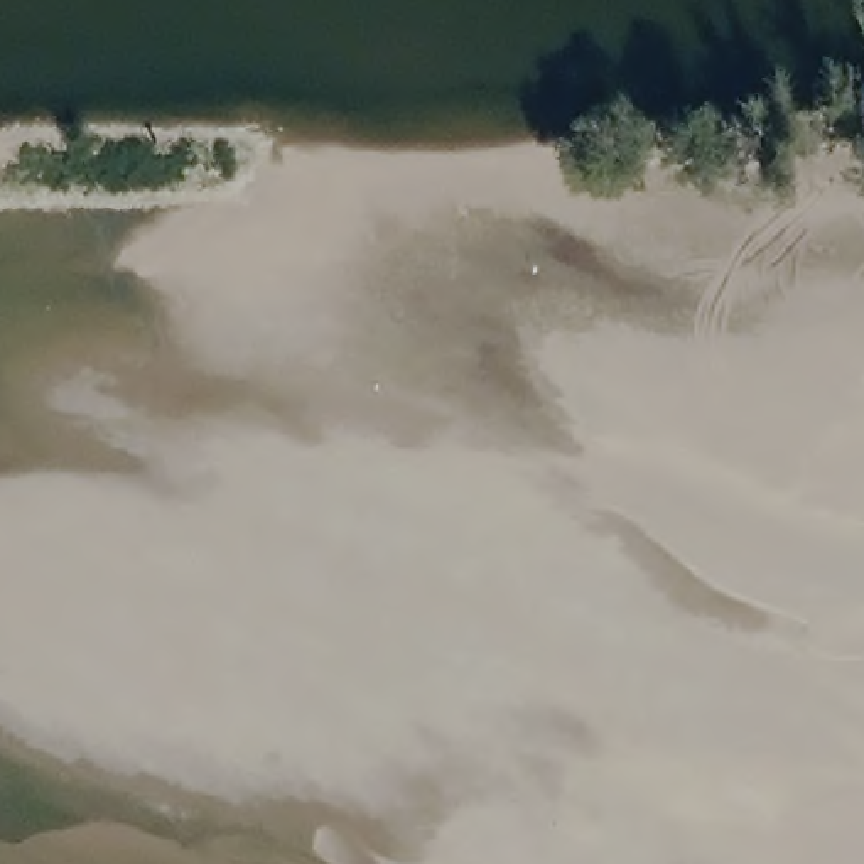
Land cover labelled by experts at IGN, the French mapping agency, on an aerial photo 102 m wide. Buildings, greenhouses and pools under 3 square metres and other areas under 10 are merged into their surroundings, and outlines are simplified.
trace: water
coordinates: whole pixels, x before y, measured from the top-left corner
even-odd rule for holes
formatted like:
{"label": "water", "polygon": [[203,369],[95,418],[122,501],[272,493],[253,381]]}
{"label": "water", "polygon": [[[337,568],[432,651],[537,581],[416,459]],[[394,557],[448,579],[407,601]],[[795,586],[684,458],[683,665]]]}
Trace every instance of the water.
{"label": "water", "polygon": [[219,797],[186,790],[152,773],[111,773],[91,759],[64,763],[27,746],[24,739],[14,739],[0,726],[0,864],[378,864],[392,854],[392,837],[381,817],[368,817],[365,810],[351,813],[324,800],[270,800],[260,793],[246,803],[226,803]]}
{"label": "water", "polygon": [[179,334],[169,321],[165,297],[138,273],[115,267],[118,250],[132,240],[132,233],[152,226],[145,209],[0,206],[0,479],[20,473],[108,473],[128,476],[135,483],[149,469],[145,459],[95,439],[95,419],[51,408],[54,388],[71,381],[81,368],[115,375],[115,398],[122,405],[169,419],[226,415],[243,398],[246,385],[226,375],[206,375],[199,354],[179,348]]}
{"label": "water", "polygon": [[513,425],[523,432],[530,425],[527,408],[537,408],[543,398],[537,395],[523,365],[513,324],[516,297],[533,297],[537,290],[574,290],[577,297],[618,300],[624,321],[635,324],[645,314],[665,317],[675,311],[695,311],[699,297],[685,280],[655,277],[648,267],[618,267],[601,246],[574,236],[554,219],[506,216],[496,230],[483,230],[479,240],[459,243],[462,277],[432,280],[422,290],[408,290],[405,334],[415,354],[435,348],[435,368],[442,375],[439,398],[462,402],[466,415],[479,419],[489,432]]}
{"label": "water", "polygon": [[0,128],[17,122],[61,128],[81,125],[257,125],[267,138],[277,138],[284,145],[341,145],[371,152],[469,152],[523,145],[533,138],[554,142],[567,138],[567,128],[574,128],[577,118],[587,118],[584,108],[594,101],[631,101],[631,108],[655,128],[682,125],[699,108],[712,108],[726,125],[739,125],[746,122],[746,101],[756,98],[759,78],[766,71],[773,78],[776,71],[790,74],[793,105],[800,111],[830,105],[830,64],[851,64],[857,71],[854,91],[864,88],[864,0],[0,0]]}
{"label": "water", "polygon": [[665,547],[658,547],[638,523],[604,510],[594,533],[618,537],[621,550],[648,574],[651,587],[665,591],[672,604],[678,604],[689,614],[719,618],[722,624],[739,631],[766,628],[766,611],[712,591],[692,570],[685,570]]}

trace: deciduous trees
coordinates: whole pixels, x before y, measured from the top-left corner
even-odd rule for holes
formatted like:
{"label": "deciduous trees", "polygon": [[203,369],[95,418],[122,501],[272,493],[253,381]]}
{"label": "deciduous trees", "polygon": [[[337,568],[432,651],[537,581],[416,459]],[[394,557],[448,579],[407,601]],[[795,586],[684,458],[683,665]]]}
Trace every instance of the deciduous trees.
{"label": "deciduous trees", "polygon": [[716,186],[716,179],[722,179],[726,162],[746,165],[753,159],[759,162],[759,176],[770,189],[786,189],[793,182],[790,162],[813,155],[817,142],[824,138],[851,142],[854,152],[864,159],[864,88],[854,91],[857,71],[851,64],[830,64],[830,105],[800,111],[793,105],[790,74],[776,71],[773,78],[766,71],[759,78],[756,98],[746,101],[746,122],[739,125],[726,125],[712,108],[699,108],[682,125],[655,128],[631,108],[631,101],[594,101],[584,108],[587,118],[577,118],[574,128],[567,128],[567,138],[554,142],[567,189],[587,192],[594,199],[618,199],[624,189],[641,192],[645,155],[655,149],[662,149],[662,162],[678,162],[682,176],[702,196]]}

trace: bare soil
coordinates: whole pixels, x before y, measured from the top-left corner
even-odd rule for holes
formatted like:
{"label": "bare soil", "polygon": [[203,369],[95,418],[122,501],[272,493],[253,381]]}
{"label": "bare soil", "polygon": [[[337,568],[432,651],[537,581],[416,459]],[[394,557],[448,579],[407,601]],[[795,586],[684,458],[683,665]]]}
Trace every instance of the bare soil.
{"label": "bare soil", "polygon": [[[645,155],[641,192],[624,189],[618,199],[594,199],[587,192],[567,189],[554,142],[533,138],[523,145],[469,152],[371,152],[341,145],[284,145],[277,138],[267,138],[257,125],[81,125],[88,135],[98,138],[155,142],[155,152],[169,152],[182,138],[192,142],[213,142],[213,162],[226,176],[226,182],[216,189],[189,189],[182,182],[128,192],[108,192],[101,186],[34,186],[24,165],[17,162],[17,152],[20,145],[64,149],[61,128],[17,122],[0,128],[0,206],[145,209],[152,226],[132,233],[132,240],[118,250],[115,267],[138,273],[165,297],[169,321],[179,334],[179,348],[199,354],[206,375],[226,375],[246,385],[243,398],[226,415],[169,419],[122,405],[115,398],[115,375],[81,368],[71,381],[54,388],[51,408],[95,419],[95,439],[145,459],[149,469],[135,483],[128,476],[108,473],[20,473],[0,479],[0,726],[14,739],[24,739],[27,746],[64,763],[91,759],[111,773],[152,773],[186,790],[219,797],[226,803],[246,803],[260,793],[270,800],[324,800],[351,813],[365,810],[368,817],[381,817],[392,837],[392,854],[378,864],[864,864],[864,159],[854,152],[851,142],[824,138],[817,142],[813,155],[790,162],[793,182],[786,189],[770,189],[759,176],[759,162],[753,159],[746,165],[726,162],[722,179],[716,179],[716,186],[702,196],[682,176],[678,162],[662,162],[662,149],[655,149]],[[466,415],[462,402],[439,398],[442,375],[435,368],[435,348],[415,354],[405,334],[408,290],[422,290],[432,280],[462,277],[459,243],[479,240],[483,230],[496,230],[506,216],[554,219],[574,236],[601,246],[618,267],[648,267],[655,277],[685,280],[699,297],[695,311],[675,311],[665,317],[645,314],[635,324],[624,321],[618,300],[577,297],[574,290],[537,290],[533,297],[516,297],[513,324],[523,365],[537,395],[543,398],[537,408],[527,408],[530,425],[523,432],[513,425],[489,432],[479,419]],[[719,618],[689,614],[678,604],[672,604],[665,591],[651,587],[648,574],[621,550],[618,537],[594,533],[604,510],[638,523],[658,547],[665,547],[685,570],[692,570],[712,591],[766,611],[766,628],[739,631],[722,624]]]}

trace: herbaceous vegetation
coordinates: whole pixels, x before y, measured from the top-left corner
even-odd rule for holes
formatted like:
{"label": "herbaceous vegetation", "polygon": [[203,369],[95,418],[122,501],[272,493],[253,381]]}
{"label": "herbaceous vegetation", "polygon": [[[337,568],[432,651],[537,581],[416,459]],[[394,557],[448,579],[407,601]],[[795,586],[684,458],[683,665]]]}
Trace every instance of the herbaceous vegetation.
{"label": "herbaceous vegetation", "polygon": [[216,189],[226,182],[226,176],[213,162],[213,142],[192,142],[182,182],[189,189]]}

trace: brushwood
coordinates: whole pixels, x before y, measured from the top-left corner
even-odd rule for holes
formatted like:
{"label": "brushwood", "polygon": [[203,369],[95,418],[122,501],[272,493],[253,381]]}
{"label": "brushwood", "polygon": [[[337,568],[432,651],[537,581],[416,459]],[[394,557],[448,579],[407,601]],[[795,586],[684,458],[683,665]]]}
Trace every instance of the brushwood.
{"label": "brushwood", "polygon": [[17,152],[17,162],[24,165],[34,186],[101,186],[108,192],[128,192],[182,182],[192,142],[182,138],[169,152],[155,152],[155,142],[98,138],[88,135],[81,125],[61,128],[64,149],[20,145]]}

